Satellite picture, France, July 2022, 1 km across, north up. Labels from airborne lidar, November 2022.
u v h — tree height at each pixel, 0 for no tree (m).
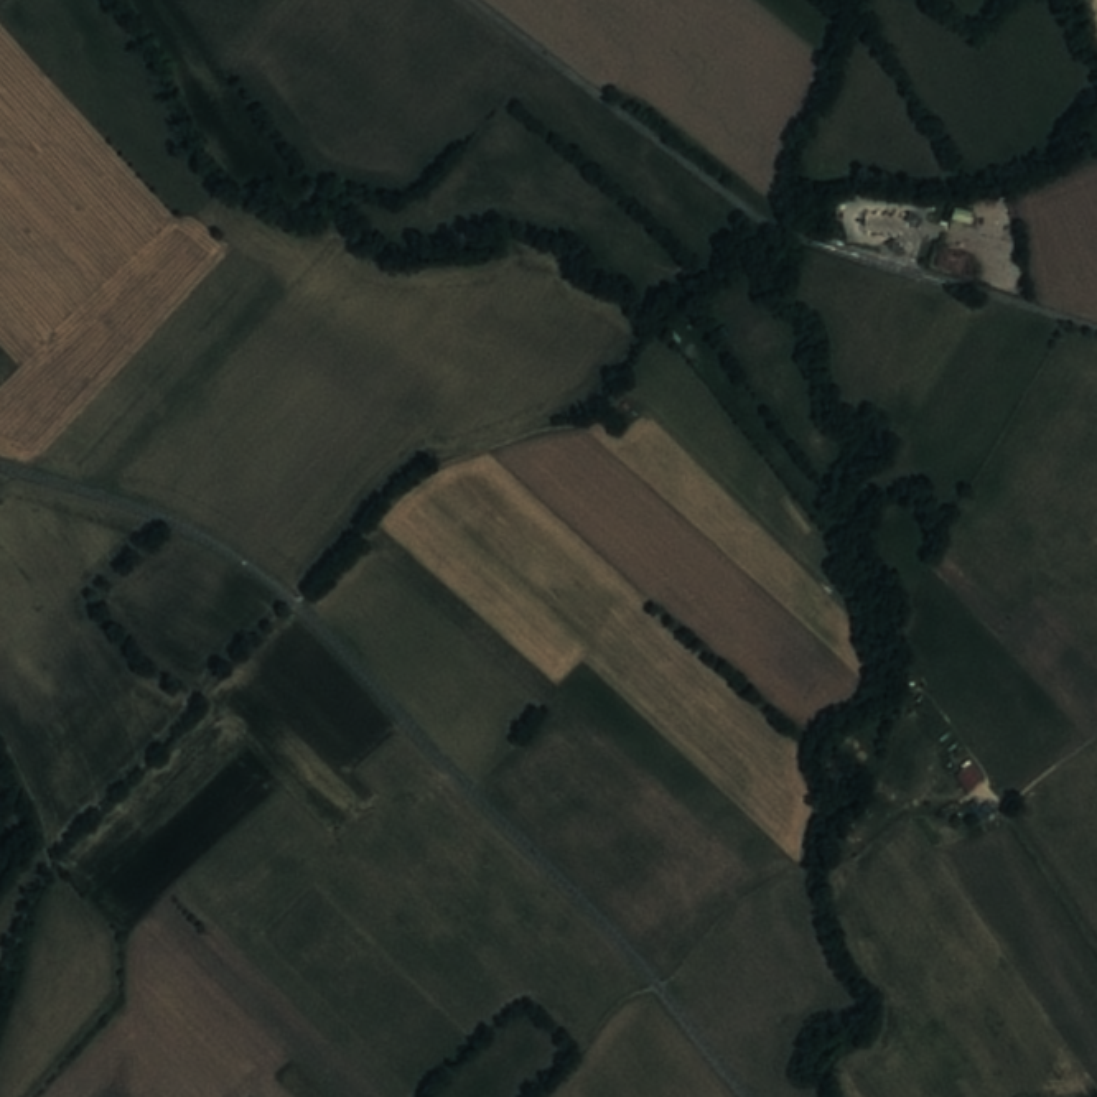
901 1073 0
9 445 0
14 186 0
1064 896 0
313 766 0
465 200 0
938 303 0
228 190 31
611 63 0
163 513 0
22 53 0
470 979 0
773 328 0
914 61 0
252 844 0
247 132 0
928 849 0
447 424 0
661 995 0
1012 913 0
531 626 0
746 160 0
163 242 0
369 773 0
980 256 0
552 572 0
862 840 0
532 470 0
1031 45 0
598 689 0
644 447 0
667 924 0
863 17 23
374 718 0
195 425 0
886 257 0
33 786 0
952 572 0
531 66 0
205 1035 0
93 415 0
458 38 0
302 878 0
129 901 0
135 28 20
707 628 0
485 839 0
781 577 0
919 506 24
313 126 0
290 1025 0
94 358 0
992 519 0
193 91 0
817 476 14
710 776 0
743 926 0
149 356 0
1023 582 0
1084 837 0
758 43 0
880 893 0
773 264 20
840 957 17
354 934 0
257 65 0
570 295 0
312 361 0
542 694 0
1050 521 0
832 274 0
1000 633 0
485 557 0
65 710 0
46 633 0
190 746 0
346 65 0
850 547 20
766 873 0
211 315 0
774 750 0
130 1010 0
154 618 0
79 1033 0
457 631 0
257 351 0
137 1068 0
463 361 0
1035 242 0
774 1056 0
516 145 0
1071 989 0
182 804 0
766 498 0
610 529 0
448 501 0
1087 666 0
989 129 0
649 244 0
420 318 0
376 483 0
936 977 0
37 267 0
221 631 0
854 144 0
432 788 0
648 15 0
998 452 0
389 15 0
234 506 0
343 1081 0
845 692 0
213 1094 0
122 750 0
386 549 0
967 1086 0
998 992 0
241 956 0
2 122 0
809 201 23
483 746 0
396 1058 0
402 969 0
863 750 0
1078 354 0
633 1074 0
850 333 0
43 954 0
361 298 0
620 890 0
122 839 0
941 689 0
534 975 0
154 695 0
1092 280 0
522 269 0
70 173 0
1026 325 0
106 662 0
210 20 0
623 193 16
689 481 0
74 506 0
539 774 0
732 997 0
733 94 0
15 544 0
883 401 0
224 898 0
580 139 0
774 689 0
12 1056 0
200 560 0
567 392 0
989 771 0
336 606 0
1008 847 0
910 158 0
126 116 0
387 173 0
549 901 0
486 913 0
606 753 0
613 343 0
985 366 0
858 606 16
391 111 0
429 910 0
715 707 0
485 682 0
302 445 0
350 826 0
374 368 0
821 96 20
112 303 0
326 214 20
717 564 0
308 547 0
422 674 0
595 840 0
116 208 0
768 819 0
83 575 0
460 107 0
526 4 0
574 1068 20
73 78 0
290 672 0
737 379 15
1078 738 0
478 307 0
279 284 0
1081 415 0
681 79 0
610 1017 0
